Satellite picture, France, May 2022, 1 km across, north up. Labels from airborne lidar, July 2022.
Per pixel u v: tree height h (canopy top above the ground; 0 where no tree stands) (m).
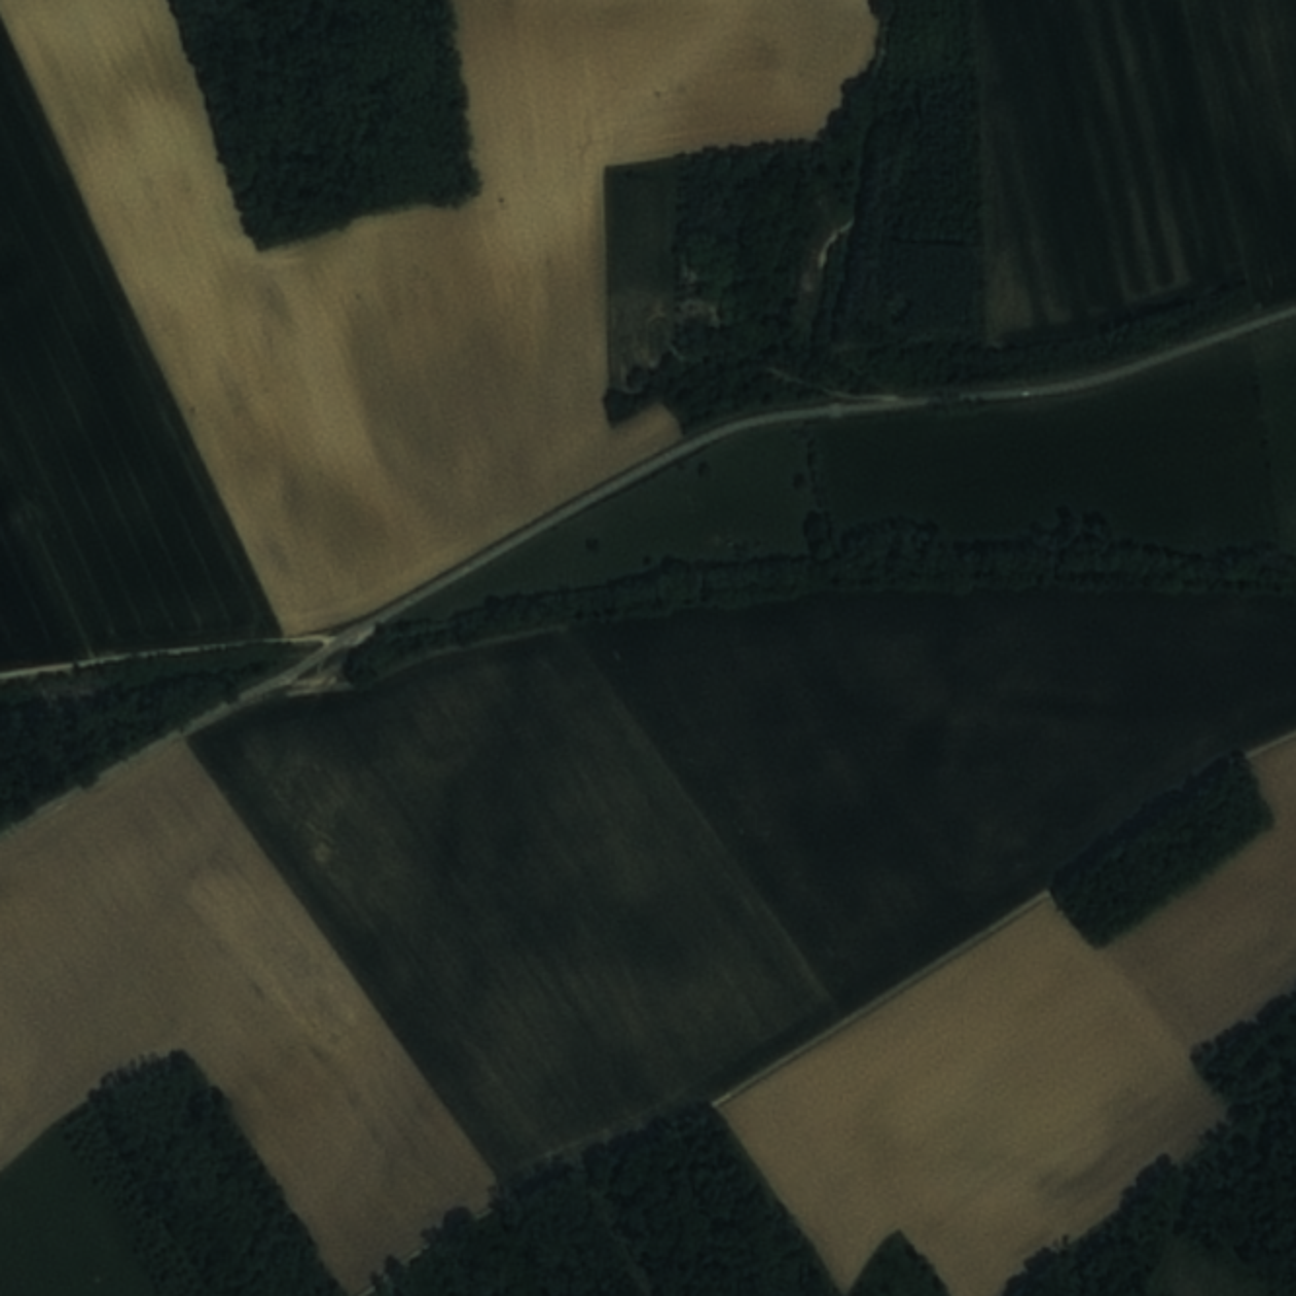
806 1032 0
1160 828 25
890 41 7
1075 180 0
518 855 0
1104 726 0
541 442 0
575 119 0
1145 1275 21
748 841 0
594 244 0
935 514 0
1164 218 0
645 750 0
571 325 0
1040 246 0
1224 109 0
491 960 0
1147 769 0
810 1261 25
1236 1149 21
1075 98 0
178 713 23
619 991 0
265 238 24
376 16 24
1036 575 20
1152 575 18
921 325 13
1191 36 0
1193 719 0
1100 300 0
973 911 0
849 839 0
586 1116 0
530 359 0
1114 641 0
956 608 0
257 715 0
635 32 0
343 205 24
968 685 0
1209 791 21
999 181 0
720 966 0
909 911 0
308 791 0
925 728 0
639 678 0
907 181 16
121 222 0
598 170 0
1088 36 0
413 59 28
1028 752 0
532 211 0
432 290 0
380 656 18
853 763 0
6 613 0
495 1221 6
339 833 0
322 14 20
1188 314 12
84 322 0
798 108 0
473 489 0
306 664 0
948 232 10
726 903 0
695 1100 0
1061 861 0
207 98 17
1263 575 19
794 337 14
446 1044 0
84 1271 0
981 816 0
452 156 22
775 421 0
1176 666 0
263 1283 25
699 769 0
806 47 0
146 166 0
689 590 20
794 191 14
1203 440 0
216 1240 23
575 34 0
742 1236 24
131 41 0
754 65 0
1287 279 0
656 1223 32
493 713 0
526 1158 0
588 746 0
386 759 0
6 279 0
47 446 0
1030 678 0
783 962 0
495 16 0
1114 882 26
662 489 0
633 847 0
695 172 8
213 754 0
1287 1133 24
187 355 0
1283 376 0
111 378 0
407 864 0
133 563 0
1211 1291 0
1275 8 0
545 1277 34
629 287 0
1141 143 0
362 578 0
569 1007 0
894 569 21
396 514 0
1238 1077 19
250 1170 16
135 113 0
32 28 0
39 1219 0
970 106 12
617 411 12
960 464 0
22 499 0
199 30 22
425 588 0
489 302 0
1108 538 18
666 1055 0
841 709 0
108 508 0
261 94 29
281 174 25
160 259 0
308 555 0
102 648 0
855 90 17
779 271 17
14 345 0
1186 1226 17
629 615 15
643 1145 22
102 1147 9
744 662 0
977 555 18
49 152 0
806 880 0
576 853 0
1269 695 0
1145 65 0
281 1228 13
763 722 0
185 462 0
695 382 13
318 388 0
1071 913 19
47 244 0
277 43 22
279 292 0
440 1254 21
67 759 26
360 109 24
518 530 0
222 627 0
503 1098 0
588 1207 33
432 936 0
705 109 0
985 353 12
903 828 0
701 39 0
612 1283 20
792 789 0
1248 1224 16
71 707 6
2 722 10
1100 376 0
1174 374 0
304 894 0
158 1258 8
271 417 0
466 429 0
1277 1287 24
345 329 0
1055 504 0
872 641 0
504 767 0
